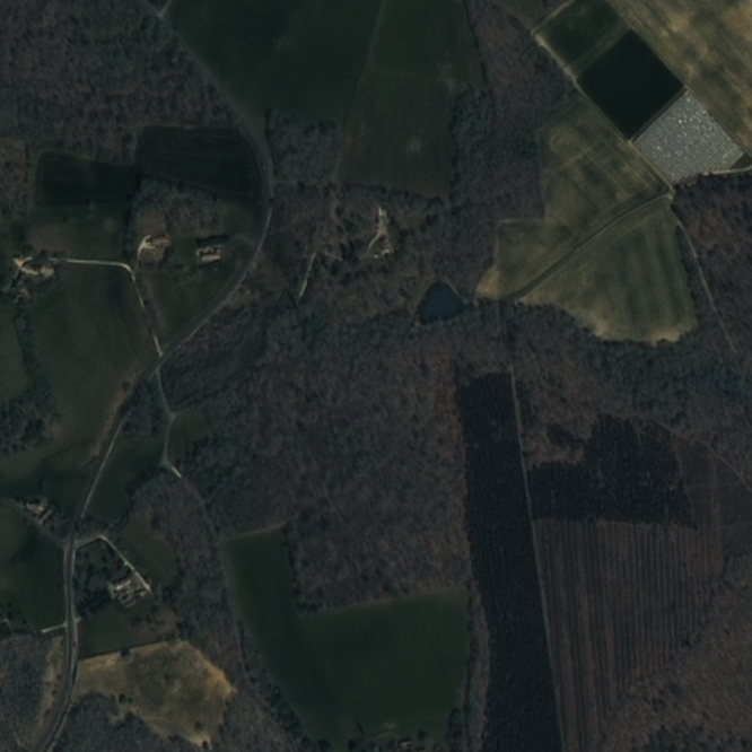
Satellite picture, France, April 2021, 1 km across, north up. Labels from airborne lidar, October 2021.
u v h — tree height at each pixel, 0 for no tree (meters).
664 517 8
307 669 0
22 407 14
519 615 10
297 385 8
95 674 0
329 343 25
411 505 23
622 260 0
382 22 0
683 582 0
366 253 18
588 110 0
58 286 6
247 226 0
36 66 13
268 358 23
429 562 17
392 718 0
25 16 8
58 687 6
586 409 12
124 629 0
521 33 25
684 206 8
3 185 9
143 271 19
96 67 17
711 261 18
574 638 0
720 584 12
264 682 13
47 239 0
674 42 0
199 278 18
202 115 7
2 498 0
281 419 13
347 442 12
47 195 0
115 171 0
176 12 0
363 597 17
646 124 0
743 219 14
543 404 9
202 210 25
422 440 18
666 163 0
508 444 8
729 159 0
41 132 24
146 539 0
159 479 21
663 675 13
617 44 0
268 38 0
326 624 0
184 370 10
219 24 0
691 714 14
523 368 11
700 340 14
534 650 8
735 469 13
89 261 0
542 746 11
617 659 0
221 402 20
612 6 0
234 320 8
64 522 7
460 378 9
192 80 21
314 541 19
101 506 0
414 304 17
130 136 6
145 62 10
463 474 9
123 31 12
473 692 17
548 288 0
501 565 10
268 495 21
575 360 19
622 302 0
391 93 0
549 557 0
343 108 0
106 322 0
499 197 16
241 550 0
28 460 0
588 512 10
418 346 17
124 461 0
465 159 13
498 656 10
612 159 0
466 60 0
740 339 16
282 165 25
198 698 0
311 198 12
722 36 0
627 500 8
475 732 19
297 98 0
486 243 20
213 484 12
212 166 0
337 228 17
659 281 0
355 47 0
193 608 18
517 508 9
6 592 0
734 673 19
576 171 0
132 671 0
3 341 0
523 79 19
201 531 23
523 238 0
